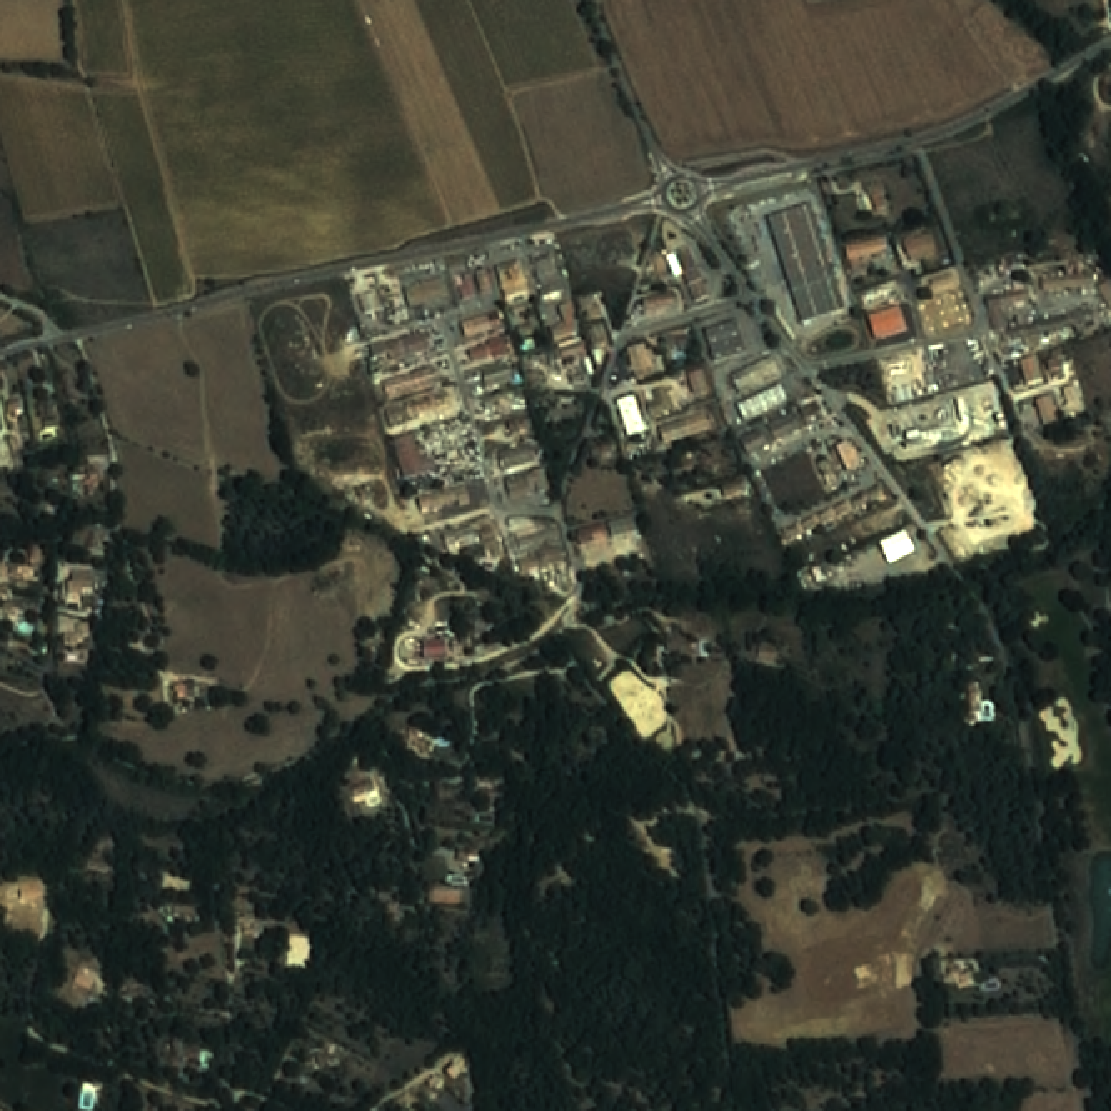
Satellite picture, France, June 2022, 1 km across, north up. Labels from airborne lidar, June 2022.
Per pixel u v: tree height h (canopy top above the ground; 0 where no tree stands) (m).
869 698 15
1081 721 0
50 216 0
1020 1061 0
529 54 0
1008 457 0
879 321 0
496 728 10
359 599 0
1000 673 10
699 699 0
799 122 0
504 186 0
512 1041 14
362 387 0
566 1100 16
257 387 0
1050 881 12
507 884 14
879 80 0
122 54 0
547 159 0
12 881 12
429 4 0
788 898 0
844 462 0
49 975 15
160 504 0
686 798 7
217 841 14
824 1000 0
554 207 0
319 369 0
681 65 0
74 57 8
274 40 0
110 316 0
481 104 0
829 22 0
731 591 17
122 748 15
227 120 0
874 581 0
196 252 0
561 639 14
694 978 14
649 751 14
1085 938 0
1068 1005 12
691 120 0
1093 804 0
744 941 16
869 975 0
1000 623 9
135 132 0
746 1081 16
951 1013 10
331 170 0
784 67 0
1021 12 8
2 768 17
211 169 0
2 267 0
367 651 13
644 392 0
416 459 0
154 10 0
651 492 0
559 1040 11
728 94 0
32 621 9
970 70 0
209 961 9
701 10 0
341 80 0
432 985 14
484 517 0
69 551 14
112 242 0
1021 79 0
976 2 0
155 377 0
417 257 0
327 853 18
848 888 16
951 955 6
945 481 0
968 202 0
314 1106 13
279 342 0
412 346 0
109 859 10
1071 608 14
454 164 0
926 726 16
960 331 0
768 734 15
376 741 15
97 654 12
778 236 0
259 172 0
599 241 0
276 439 14
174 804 0
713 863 13
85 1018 15
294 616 0
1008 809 15
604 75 0
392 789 7
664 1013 17
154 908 9
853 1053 16
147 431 0
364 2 0
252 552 15
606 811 13
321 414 0
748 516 0
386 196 0
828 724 13
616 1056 17
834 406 0
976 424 0
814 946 0
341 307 0
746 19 0
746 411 0
